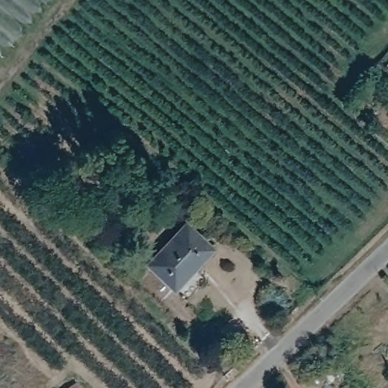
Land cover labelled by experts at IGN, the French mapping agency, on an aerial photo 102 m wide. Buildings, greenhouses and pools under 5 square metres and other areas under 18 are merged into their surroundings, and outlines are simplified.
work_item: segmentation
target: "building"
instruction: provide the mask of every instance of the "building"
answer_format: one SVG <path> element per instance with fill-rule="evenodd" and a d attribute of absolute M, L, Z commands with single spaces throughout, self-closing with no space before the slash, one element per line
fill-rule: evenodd
<path fill-rule="evenodd" d="M 179 223 L 182 226 L 168 239 L 162 249 L 155 246 L 150 270 L 145 271 L 142 280 L 149 277 L 153 285 L 159 289 L 159 297 L 164 300 L 170 299 L 176 289 L 182 288 L 214 255 L 214 242 L 211 241 L 202 238 L 202 229 L 191 229 L 182 221 Z"/>

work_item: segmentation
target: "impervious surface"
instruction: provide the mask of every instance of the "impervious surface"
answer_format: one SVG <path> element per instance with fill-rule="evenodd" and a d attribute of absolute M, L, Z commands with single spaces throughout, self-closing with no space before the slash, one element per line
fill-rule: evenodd
<path fill-rule="evenodd" d="M 238 306 L 232 314 L 236 320 L 242 321 L 253 341 L 253 347 L 261 355 L 242 373 L 241 377 L 238 377 L 235 383 L 230 383 L 227 388 L 264 388 L 265 371 L 276 368 L 279 371 L 288 364 L 285 353 L 297 352 L 297 339 L 308 336 L 309 333 L 320 332 L 323 327 L 329 326 L 330 321 L 352 302 L 353 297 L 361 293 L 373 277 L 388 265 L 388 224 L 326 283 L 318 288 L 317 294 L 308 297 L 305 303 L 291 312 L 283 329 L 273 332 L 264 326 L 264 320 L 259 317 L 253 302 L 242 302 Z"/>

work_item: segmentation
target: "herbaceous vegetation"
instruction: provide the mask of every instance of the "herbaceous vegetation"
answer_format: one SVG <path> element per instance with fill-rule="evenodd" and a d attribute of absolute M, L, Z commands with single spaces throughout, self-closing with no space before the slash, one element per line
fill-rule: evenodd
<path fill-rule="evenodd" d="M 3 194 L 8 197 L 15 206 L 20 206 L 27 214 L 26 205 L 32 202 L 33 197 L 30 196 L 27 186 L 36 180 L 53 176 L 53 171 L 59 168 L 70 168 L 73 165 L 83 167 L 86 153 L 92 155 L 95 152 L 103 152 L 118 139 L 133 142 L 135 156 L 138 155 L 145 161 L 149 182 L 159 179 L 168 165 L 171 168 L 177 167 L 177 164 L 168 162 L 165 156 L 158 155 L 158 147 L 153 147 L 149 139 L 139 138 L 132 129 L 123 126 L 117 117 L 109 114 L 108 109 L 99 102 L 100 92 L 95 89 L 83 91 L 79 82 L 64 76 L 61 71 L 45 61 L 44 55 L 47 55 L 48 50 L 39 45 L 42 41 L 52 44 L 52 38 L 48 35 L 52 30 L 56 33 L 61 32 L 58 21 L 64 20 L 77 0 L 50 0 L 41 3 L 41 12 L 32 15 L 32 23 L 24 24 L 21 38 L 15 41 L 12 47 L 0 45 L 0 196 Z M 76 92 L 70 99 L 61 99 L 58 97 L 61 91 L 44 82 L 36 74 L 33 64 L 42 65 L 45 71 L 53 74 L 68 88 L 76 89 Z M 55 105 L 45 106 L 44 95 L 26 82 L 27 76 L 32 77 L 39 88 L 48 89 L 56 95 Z M 42 124 L 50 124 L 47 132 L 36 132 L 32 123 L 23 120 L 15 109 L 18 103 L 29 106 L 32 114 L 39 118 Z"/>
<path fill-rule="evenodd" d="M 236 239 L 232 247 L 220 244 L 218 238 L 212 238 L 211 241 L 214 242 L 214 255 L 182 288 L 176 289 L 170 299 L 164 300 L 167 308 L 170 308 L 177 318 L 186 324 L 182 338 L 188 341 L 189 346 L 199 355 L 208 352 L 209 346 L 217 343 L 212 338 L 215 333 L 233 326 L 236 320 L 232 314 L 238 306 L 242 302 L 253 302 L 261 297 L 262 289 L 270 283 L 270 280 L 264 277 L 259 280 L 258 274 L 255 273 L 262 261 L 270 262 L 271 273 L 279 277 L 276 285 L 282 286 L 286 294 L 296 293 L 300 283 L 309 288 L 318 288 L 326 283 L 323 277 L 338 267 L 341 259 L 347 258 L 347 255 L 361 244 L 365 235 L 388 214 L 388 189 L 383 189 L 377 199 L 371 202 L 370 212 L 361 220 L 353 214 L 346 203 L 339 202 L 326 189 L 317 183 L 308 183 L 309 188 L 314 189 L 315 194 L 320 196 L 323 202 L 338 209 L 344 217 L 352 221 L 350 226 L 335 224 L 338 232 L 332 236 L 332 244 L 321 235 L 315 238 L 323 246 L 321 255 L 318 255 L 309 244 L 302 247 L 305 253 L 312 256 L 312 262 L 308 262 L 308 259 L 303 258 L 296 250 L 289 250 L 289 253 L 299 259 L 299 264 L 286 262 L 279 252 L 271 249 L 244 221 L 229 214 L 227 209 L 221 212 L 220 208 L 215 208 L 214 214 L 223 214 L 223 218 L 230 221 L 229 227 L 236 224 L 249 238 Z M 211 300 L 212 308 L 217 312 L 217 317 L 212 320 L 196 320 L 199 303 L 203 299 Z"/>
<path fill-rule="evenodd" d="M 356 123 L 362 127 L 364 124 L 371 124 L 377 117 L 382 126 L 388 129 L 388 115 L 383 106 L 377 106 L 374 111 L 362 109 L 361 114 L 355 118 Z"/>
<path fill-rule="evenodd" d="M 173 229 L 165 230 L 164 226 L 159 226 L 156 232 L 150 233 L 147 242 L 156 241 L 155 246 L 162 249 L 168 239 L 182 226 L 179 223 L 176 223 Z"/>
<path fill-rule="evenodd" d="M 0 388 L 92 388 L 65 362 L 61 370 L 67 376 L 65 382 L 59 386 L 53 385 L 42 371 L 30 364 L 26 355 L 18 349 L 17 343 L 0 332 Z"/>
<path fill-rule="evenodd" d="M 274 88 L 280 97 L 296 106 L 320 129 L 326 130 L 327 135 L 332 136 L 355 158 L 361 159 L 388 186 L 388 159 L 383 158 L 373 145 L 358 135 L 356 129 L 352 129 L 349 124 L 324 108 L 305 89 L 297 86 L 297 94 L 308 99 L 312 105 L 317 106 L 321 114 L 326 115 L 347 135 L 352 136 L 355 142 L 359 142 L 364 149 L 377 156 L 379 162 L 374 164 L 367 155 L 358 152 L 356 147 L 344 141 L 332 127 L 324 124 L 320 118 L 314 117 L 302 102 L 294 99 L 282 86 Z"/>
<path fill-rule="evenodd" d="M 335 86 L 336 97 L 341 102 L 350 102 L 350 91 L 356 88 L 362 73 L 376 65 L 388 65 L 388 12 L 385 14 L 386 20 L 382 29 L 365 35 L 358 42 L 364 55 L 356 58 L 350 65 L 347 76 L 341 77 Z"/>

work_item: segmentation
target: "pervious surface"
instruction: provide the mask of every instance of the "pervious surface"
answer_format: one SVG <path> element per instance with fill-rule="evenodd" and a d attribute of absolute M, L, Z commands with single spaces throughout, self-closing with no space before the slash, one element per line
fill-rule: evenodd
<path fill-rule="evenodd" d="M 320 332 L 309 333 L 308 336 L 297 339 L 297 352 L 285 353 L 288 364 L 294 364 L 306 350 L 317 346 L 318 339 L 324 336 L 329 338 L 333 329 L 344 320 L 344 317 L 350 315 L 353 309 L 358 309 L 359 303 L 368 294 L 376 296 L 376 293 L 379 293 L 380 283 L 385 282 L 388 285 L 388 265 L 373 277 L 361 293 L 353 297 L 352 302 L 330 321 L 329 326 L 323 327 Z"/>

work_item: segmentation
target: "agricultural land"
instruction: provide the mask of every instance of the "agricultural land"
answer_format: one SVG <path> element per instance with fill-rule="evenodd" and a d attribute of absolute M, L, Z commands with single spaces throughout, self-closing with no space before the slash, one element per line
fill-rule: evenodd
<path fill-rule="evenodd" d="M 336 371 L 333 376 L 324 374 L 320 379 L 312 380 L 305 385 L 297 382 L 288 364 L 279 371 L 285 380 L 286 388 L 339 388 L 339 383 L 343 382 L 343 373 Z"/>
<path fill-rule="evenodd" d="M 385 282 L 380 283 L 379 293 L 376 293 L 376 296 L 368 294 L 359 303 L 358 309 L 353 309 L 350 315 L 355 318 L 358 326 L 364 330 L 368 329 L 368 338 L 373 339 L 367 347 L 362 347 L 358 359 L 362 361 L 361 370 L 367 374 L 368 380 L 365 383 L 368 388 L 388 388 L 388 285 Z"/>

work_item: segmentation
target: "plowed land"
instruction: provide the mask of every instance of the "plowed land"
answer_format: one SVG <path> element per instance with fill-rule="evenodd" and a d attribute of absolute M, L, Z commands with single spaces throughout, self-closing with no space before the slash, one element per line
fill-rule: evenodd
<path fill-rule="evenodd" d="M 27 347 L 26 341 L 11 326 L 6 323 L 0 324 L 0 332 L 17 343 L 18 349 L 26 355 L 30 364 L 42 371 L 53 385 L 59 386 L 65 382 L 67 376 L 61 370 L 50 367 L 38 353 Z"/>
<path fill-rule="evenodd" d="M 85 271 L 80 277 L 103 299 L 111 303 L 114 296 L 92 280 Z"/>
<path fill-rule="evenodd" d="M 79 265 L 70 261 L 55 242 L 48 239 L 35 226 L 27 214 L 20 206 L 15 206 L 8 197 L 3 194 L 0 196 L 0 208 L 15 215 L 15 218 L 21 221 L 41 244 L 52 250 L 53 255 L 58 256 L 62 264 L 71 268 L 74 273 Z"/>
<path fill-rule="evenodd" d="M 182 376 L 191 383 L 191 388 L 227 388 L 230 383 L 235 383 L 238 377 L 241 377 L 242 373 L 233 368 L 224 376 L 217 371 L 203 374 L 202 377 L 189 373 L 188 368 L 164 349 L 164 346 L 153 338 L 152 333 L 145 330 L 127 311 L 121 300 L 118 300 L 115 309 L 130 321 L 133 329 L 141 335 L 145 343 L 158 350 L 167 359 L 168 364 L 173 365 L 174 370 L 182 373 Z"/>
<path fill-rule="evenodd" d="M 161 388 L 173 388 L 147 362 L 139 358 L 138 353 L 124 344 L 114 330 L 106 327 L 97 315 L 92 314 L 82 299 L 74 296 L 52 271 L 47 270 L 44 264 L 39 264 L 38 259 L 26 250 L 26 247 L 21 246 L 8 230 L 0 230 L 0 236 L 12 242 L 15 252 L 26 256 L 27 261 L 32 262 L 39 273 L 52 280 L 67 299 L 74 305 L 79 305 L 92 324 L 99 327 L 105 335 L 112 336 L 114 343 L 121 347 L 124 355 L 130 356 L 135 364 L 144 368 L 145 373 L 149 374 Z"/>
<path fill-rule="evenodd" d="M 15 315 L 35 327 L 36 332 L 62 356 L 65 362 L 92 388 L 108 388 L 108 385 L 88 370 L 83 362 L 70 355 L 35 318 L 30 317 L 15 297 L 6 291 L 0 294 L 0 300 L 8 303 Z"/>
<path fill-rule="evenodd" d="M 91 262 L 99 268 L 102 276 L 109 274 L 115 285 L 123 286 L 124 283 L 123 279 L 112 273 L 111 268 L 105 267 L 108 261 L 97 258 L 79 236 L 71 235 L 71 241 L 79 247 L 86 262 Z"/>
<path fill-rule="evenodd" d="M 94 344 L 89 343 L 89 339 L 62 315 L 55 305 L 41 297 L 18 271 L 12 268 L 8 259 L 0 259 L 0 265 L 14 276 L 23 288 L 29 288 L 29 294 L 35 296 L 45 309 L 61 320 L 65 324 L 65 329 L 74 333 L 77 341 L 106 370 L 112 371 L 118 379 L 126 380 L 129 388 L 136 388 L 133 380 L 103 356 Z"/>

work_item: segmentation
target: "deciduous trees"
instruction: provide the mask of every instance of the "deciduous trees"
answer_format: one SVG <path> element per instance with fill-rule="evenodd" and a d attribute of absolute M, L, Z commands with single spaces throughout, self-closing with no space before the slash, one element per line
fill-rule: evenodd
<path fill-rule="evenodd" d="M 118 379 L 112 371 L 106 370 L 77 341 L 74 333 L 65 329 L 65 324 L 61 320 L 45 309 L 35 296 L 29 294 L 29 288 L 23 288 L 14 276 L 0 265 L 0 294 L 6 291 L 15 297 L 30 317 L 35 318 L 70 355 L 83 362 L 88 370 L 108 385 L 108 388 L 129 388 L 126 380 Z"/>
<path fill-rule="evenodd" d="M 39 118 L 32 114 L 29 106 L 18 103 L 15 109 L 23 120 L 32 123 L 36 132 L 47 132 L 50 124 L 42 124 Z"/>
<path fill-rule="evenodd" d="M 217 317 L 217 312 L 212 308 L 211 300 L 203 299 L 199 303 L 196 320 L 212 320 Z"/>
<path fill-rule="evenodd" d="M 161 388 L 149 374 L 145 373 L 144 368 L 135 364 L 130 356 L 124 355 L 121 347 L 114 343 L 112 336 L 105 335 L 99 327 L 92 324 L 79 305 L 74 305 L 67 299 L 52 280 L 39 273 L 32 262 L 27 261 L 26 256 L 15 252 L 12 242 L 0 236 L 0 259 L 8 259 L 12 268 L 18 271 L 41 297 L 55 305 L 62 315 L 89 339 L 89 343 L 94 344 L 103 356 L 133 380 L 136 388 Z"/>
<path fill-rule="evenodd" d="M 61 91 L 58 97 L 61 99 L 70 99 L 76 92 L 76 89 L 68 88 L 53 74 L 45 71 L 42 65 L 33 64 L 36 74 L 44 82 Z"/>
<path fill-rule="evenodd" d="M 308 297 L 317 294 L 318 288 L 309 288 L 300 283 L 296 293 L 286 294 L 282 286 L 276 285 L 279 277 L 271 273 L 270 262 L 262 261 L 255 273 L 258 274 L 259 280 L 264 277 L 270 280 L 270 283 L 262 289 L 261 297 L 253 302 L 259 317 L 264 320 L 264 326 L 273 332 L 283 329 L 291 312 L 305 303 Z"/>
<path fill-rule="evenodd" d="M 367 374 L 361 370 L 362 361 L 358 359 L 352 364 L 349 353 L 355 352 L 361 346 L 349 343 L 350 335 L 343 336 L 333 329 L 329 338 L 324 336 L 318 339 L 317 346 L 306 350 L 294 364 L 288 364 L 297 382 L 305 385 L 312 380 L 320 379 L 324 374 L 333 376 L 336 371 L 343 373 L 343 382 L 339 383 L 339 388 L 368 388 L 365 383 L 368 380 Z"/>
<path fill-rule="evenodd" d="M 0 300 L 0 324 L 6 323 L 11 326 L 26 341 L 27 347 L 38 353 L 50 367 L 61 370 L 65 362 L 62 356 L 36 332 L 35 327 L 15 315 L 8 303 Z"/>
<path fill-rule="evenodd" d="M 286 388 L 285 380 L 279 371 L 276 368 L 265 371 L 264 388 Z"/>
<path fill-rule="evenodd" d="M 56 95 L 48 89 L 39 88 L 32 77 L 27 76 L 26 82 L 44 95 L 45 106 L 55 105 Z"/>
<path fill-rule="evenodd" d="M 50 0 L 0 0 L 0 45 L 12 47 L 15 41 L 21 38 L 24 24 L 32 23 L 32 15 L 41 12 L 41 3 Z"/>
<path fill-rule="evenodd" d="M 212 338 L 217 343 L 209 346 L 208 352 L 199 355 L 189 346 L 188 341 L 182 338 L 186 324 L 177 318 L 174 320 L 176 333 L 171 335 L 161 321 L 145 312 L 144 306 L 138 305 L 135 299 L 130 299 L 124 293 L 123 286 L 115 285 L 109 274 L 102 276 L 99 268 L 91 262 L 86 262 L 79 247 L 71 241 L 71 235 L 79 236 L 97 258 L 108 261 L 105 267 L 111 268 L 112 273 L 123 279 L 124 283 L 132 286 L 133 283 L 142 280 L 145 271 L 150 270 L 155 246 L 156 241 L 147 242 L 150 233 L 156 232 L 159 226 L 164 226 L 165 230 L 173 229 L 176 223 L 179 223 L 182 221 L 191 229 L 202 229 L 202 238 L 211 241 L 212 238 L 218 238 L 220 244 L 232 247 L 236 239 L 249 238 L 236 224 L 229 227 L 230 221 L 223 218 L 223 214 L 214 214 L 215 208 L 220 208 L 221 212 L 227 209 L 229 214 L 244 221 L 271 249 L 279 252 L 286 262 L 299 264 L 299 259 L 289 253 L 289 250 L 296 250 L 303 258 L 308 259 L 308 262 L 312 262 L 312 256 L 305 253 L 302 247 L 309 244 L 318 255 L 321 255 L 323 246 L 315 238 L 321 235 L 332 244 L 332 236 L 338 232 L 335 224 L 350 226 L 352 221 L 344 217 L 338 209 L 323 202 L 320 196 L 315 194 L 314 189 L 309 188 L 308 183 L 317 183 L 326 189 L 339 202 L 346 203 L 353 214 L 361 220 L 370 212 L 371 202 L 377 199 L 383 189 L 388 189 L 388 186 L 361 159 L 355 158 L 332 136 L 327 135 L 326 130 L 320 129 L 296 106 L 280 97 L 274 88 L 282 86 L 294 99 L 302 102 L 314 117 L 320 118 L 324 124 L 332 127 L 344 141 L 356 147 L 358 152 L 367 155 L 374 164 L 379 162 L 377 156 L 364 149 L 359 142 L 355 142 L 352 136 L 347 135 L 326 115 L 321 114 L 317 106 L 312 105 L 308 99 L 297 94 L 297 86 L 305 89 L 324 108 L 349 124 L 352 129 L 356 129 L 358 135 L 373 145 L 383 158 L 388 159 L 388 129 L 382 126 L 377 117 L 371 124 L 364 124 L 362 127 L 356 123 L 355 118 L 361 114 L 362 109 L 374 111 L 377 106 L 383 106 L 388 115 L 388 65 L 376 65 L 362 73 L 356 88 L 350 91 L 350 102 L 341 102 L 336 97 L 335 86 L 341 77 L 347 76 L 350 65 L 356 58 L 364 55 L 358 42 L 365 35 L 382 29 L 386 20 L 385 14 L 388 12 L 388 0 L 77 0 L 64 20 L 58 21 L 61 32 L 56 33 L 52 30 L 48 35 L 52 38 L 52 44 L 42 41 L 39 45 L 48 50 L 47 55 L 44 55 L 45 61 L 61 71 L 64 76 L 79 82 L 83 91 L 95 89 L 100 92 L 99 102 L 108 109 L 109 114 L 117 117 L 123 126 L 132 129 L 139 138 L 149 139 L 153 147 L 158 147 L 158 155 L 165 156 L 168 162 L 177 164 L 177 167 L 171 168 L 168 165 L 159 179 L 149 182 L 145 161 L 138 155 L 135 156 L 133 142 L 118 139 L 103 152 L 95 152 L 92 155 L 86 153 L 83 167 L 73 165 L 70 168 L 59 168 L 53 171 L 53 176 L 36 180 L 27 186 L 30 196 L 33 197 L 32 202 L 26 205 L 27 214 L 35 226 L 48 239 L 55 242 L 70 261 L 79 265 L 74 273 L 71 268 L 62 264 L 58 256 L 53 255 L 52 250 L 41 244 L 21 221 L 15 218 L 15 215 L 0 208 L 0 230 L 8 230 L 21 246 L 26 247 L 26 250 L 38 259 L 39 264 L 44 264 L 47 270 L 52 271 L 74 296 L 82 299 L 92 314 L 97 315 L 106 327 L 114 330 L 124 344 L 138 353 L 139 358 L 147 362 L 173 388 L 191 388 L 191 383 L 182 376 L 182 373 L 174 370 L 173 365 L 168 364 L 167 359 L 158 350 L 145 343 L 141 335 L 133 329 L 130 321 L 115 309 L 118 300 L 121 300 L 127 311 L 145 330 L 152 333 L 153 338 L 164 346 L 164 349 L 188 368 L 189 373 L 202 377 L 203 374 L 217 371 L 224 376 L 233 368 L 242 373 L 261 355 L 253 347 L 253 341 L 242 321 L 236 320 L 233 326 L 215 333 Z M 92 280 L 114 296 L 111 303 L 103 299 L 80 277 L 85 271 Z"/>

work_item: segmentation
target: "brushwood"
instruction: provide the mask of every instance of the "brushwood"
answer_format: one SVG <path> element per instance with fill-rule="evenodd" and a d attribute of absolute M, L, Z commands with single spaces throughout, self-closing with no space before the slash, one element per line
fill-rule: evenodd
<path fill-rule="evenodd" d="M 145 312 L 161 321 L 171 335 L 176 333 L 174 320 L 177 318 L 170 308 L 167 308 L 164 300 L 159 297 L 159 289 L 153 285 L 149 277 L 142 280 L 133 283 L 132 286 L 124 283 L 123 286 L 124 293 L 130 299 L 135 299 L 138 305 L 144 306 Z"/>
<path fill-rule="evenodd" d="M 349 343 L 361 346 L 355 352 L 349 353 L 352 364 L 358 359 L 362 347 L 367 347 L 373 339 L 368 338 L 368 329 L 364 330 L 358 326 L 355 318 L 350 315 L 344 317 L 344 320 L 333 329 L 343 336 L 350 335 Z"/>
<path fill-rule="evenodd" d="M 341 259 L 338 267 L 323 277 L 326 283 L 388 224 L 388 214 L 365 235 L 361 244 L 347 255 L 347 258 Z"/>

